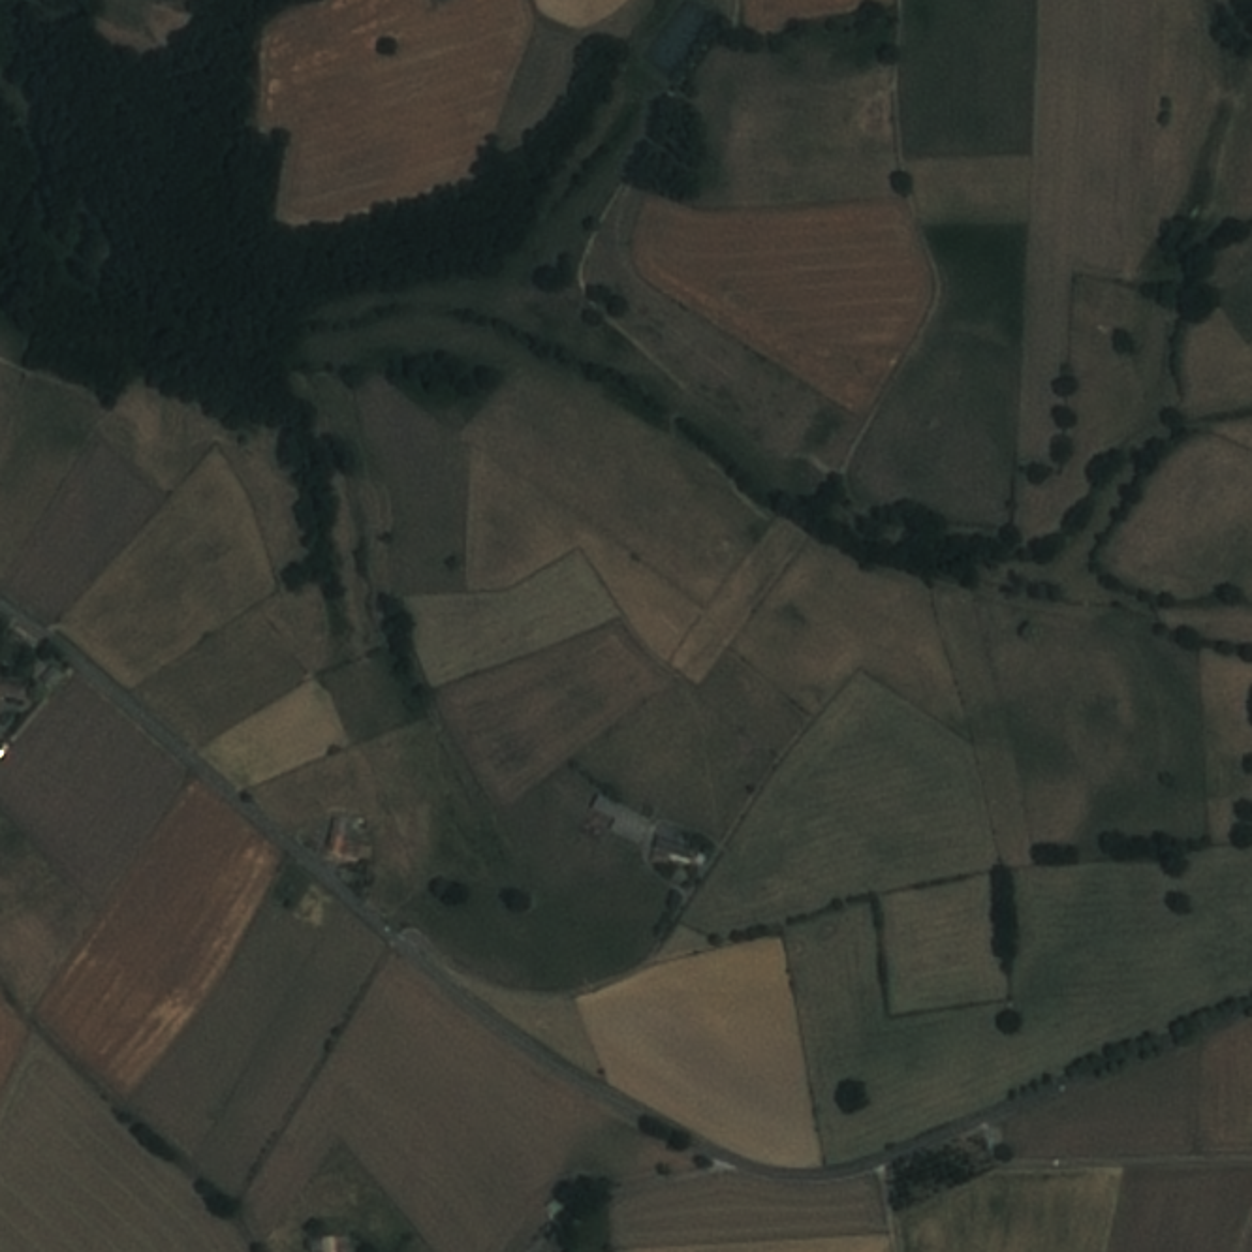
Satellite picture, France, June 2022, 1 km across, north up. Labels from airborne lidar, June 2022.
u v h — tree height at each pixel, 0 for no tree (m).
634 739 0
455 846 0
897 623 0
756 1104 0
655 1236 0
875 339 0
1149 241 0
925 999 0
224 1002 0
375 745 0
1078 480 0
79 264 19
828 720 0
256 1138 0
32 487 0
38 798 0
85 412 0
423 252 25
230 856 0
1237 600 23
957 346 0
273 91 0
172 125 19
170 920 0
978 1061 0
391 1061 0
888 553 20
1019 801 0
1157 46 0
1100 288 0
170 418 0
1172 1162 0
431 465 0
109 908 0
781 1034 0
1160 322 0
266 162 14
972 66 0
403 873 0
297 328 20
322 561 15
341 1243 0
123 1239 0
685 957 0
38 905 0
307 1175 0
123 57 22
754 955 0
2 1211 0
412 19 0
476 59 0
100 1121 0
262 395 23
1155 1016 0
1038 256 0
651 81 0
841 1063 0
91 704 0
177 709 0
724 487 0
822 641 0
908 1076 0
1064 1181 0
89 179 21
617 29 0
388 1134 0
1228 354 0
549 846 0
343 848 0
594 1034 0
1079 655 0
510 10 0
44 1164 0
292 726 0
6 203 20
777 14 0
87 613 0
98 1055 0
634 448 0
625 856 0
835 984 0
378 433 0
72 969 0
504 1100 0
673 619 0
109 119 18
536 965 0
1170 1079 0
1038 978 0
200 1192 15
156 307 33
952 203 0
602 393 0
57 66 24
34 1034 0
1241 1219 0
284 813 0
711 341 0
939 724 0
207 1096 0
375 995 0
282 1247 0
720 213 0
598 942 0
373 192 0
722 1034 0
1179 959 0
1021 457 0
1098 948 0
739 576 0
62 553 0
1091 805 0
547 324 0
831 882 0
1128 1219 0
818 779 0
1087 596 0
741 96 0
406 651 12
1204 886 0
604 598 0
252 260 20
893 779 0
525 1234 0
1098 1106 0
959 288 0
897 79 0
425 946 0
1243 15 15
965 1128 0
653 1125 16
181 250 17
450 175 0
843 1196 0
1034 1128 0
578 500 0
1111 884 0
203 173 23
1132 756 0
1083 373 0
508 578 0
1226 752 0
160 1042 0
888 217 0
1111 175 0
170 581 0
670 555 0
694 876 8
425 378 15
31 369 7
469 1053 0
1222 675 0
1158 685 0
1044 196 0
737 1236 0
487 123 0
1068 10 0
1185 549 0
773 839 0
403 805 0
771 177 0
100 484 0
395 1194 0
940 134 0
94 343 11
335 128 0
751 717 0
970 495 0
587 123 21
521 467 0
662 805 0
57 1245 0
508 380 0
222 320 21
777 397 0
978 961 0
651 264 0
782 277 0
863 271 0
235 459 0
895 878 0
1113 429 0
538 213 15
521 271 0
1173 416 14
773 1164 0
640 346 0
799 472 0
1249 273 0
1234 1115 0
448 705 0
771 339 0
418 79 0
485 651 0
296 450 23
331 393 0
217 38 21
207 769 0
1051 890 0
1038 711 0
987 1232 0
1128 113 0
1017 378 0
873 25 6
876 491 0
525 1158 0
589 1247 0
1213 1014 14
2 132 29
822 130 0
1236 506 0
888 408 0
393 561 0
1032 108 0
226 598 0
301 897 0
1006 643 0
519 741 0
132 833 0
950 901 0
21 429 0
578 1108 0
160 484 0
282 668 0
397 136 0
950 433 0
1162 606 14
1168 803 0
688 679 0
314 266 24
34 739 0
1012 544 16
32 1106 0
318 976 0
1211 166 0
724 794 0
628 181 11
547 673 0
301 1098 0
